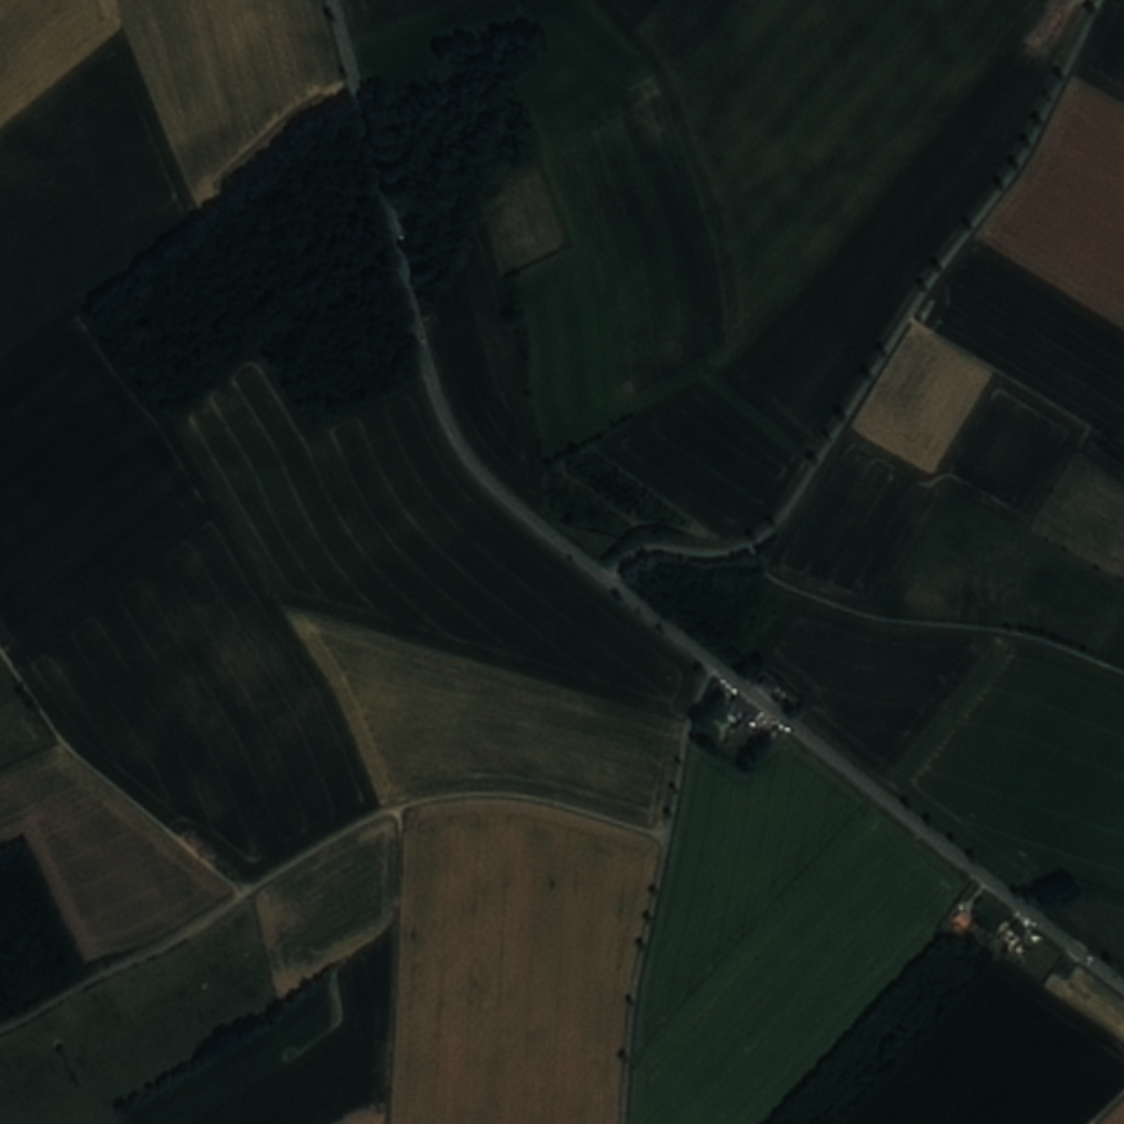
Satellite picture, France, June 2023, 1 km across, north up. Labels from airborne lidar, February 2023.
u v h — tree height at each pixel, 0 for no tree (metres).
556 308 0
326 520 0
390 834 0
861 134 0
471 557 0
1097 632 0
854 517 0
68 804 0
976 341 0
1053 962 0
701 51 0
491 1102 0
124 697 0
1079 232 0
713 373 0
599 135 0
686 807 0
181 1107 0
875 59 0
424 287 14
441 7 0
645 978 0
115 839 0
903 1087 0
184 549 0
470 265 0
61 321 0
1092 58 0
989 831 0
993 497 0
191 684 0
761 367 0
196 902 0
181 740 0
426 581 0
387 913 0
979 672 0
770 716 0
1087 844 0
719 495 0
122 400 0
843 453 0
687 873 0
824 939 0
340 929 0
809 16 0
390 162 27
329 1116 0
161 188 0
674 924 0
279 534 0
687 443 0
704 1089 0
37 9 0
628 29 0
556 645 0
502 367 0
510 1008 0
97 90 0
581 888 0
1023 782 0
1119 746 0
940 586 0
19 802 0
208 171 0
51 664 0
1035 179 0
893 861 0
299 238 18
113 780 0
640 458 0
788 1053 0
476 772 0
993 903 0
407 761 0
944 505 0
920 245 0
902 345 0
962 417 0
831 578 0
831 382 0
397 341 20
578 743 0
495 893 0
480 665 0
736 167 0
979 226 0
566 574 0
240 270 23
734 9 0
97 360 0
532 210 0
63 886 0
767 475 0
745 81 0
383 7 0
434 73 0
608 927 0
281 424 0
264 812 0
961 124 0
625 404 0
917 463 0
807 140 0
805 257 0
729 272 0
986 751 0
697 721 15
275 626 0
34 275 0
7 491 0
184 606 0
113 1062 0
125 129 0
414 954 0
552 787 0
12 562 0
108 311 18
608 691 0
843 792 0
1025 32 0
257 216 23
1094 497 0
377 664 0
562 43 0
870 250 0
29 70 0
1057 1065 0
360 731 0
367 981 0
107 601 0
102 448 0
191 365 24
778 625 0
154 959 0
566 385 0
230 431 0
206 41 0
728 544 0
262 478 0
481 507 0
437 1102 0
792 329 0
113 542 0
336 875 0
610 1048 0
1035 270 0
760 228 0
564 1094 0
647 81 0
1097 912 0
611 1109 0
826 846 0
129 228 0
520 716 0
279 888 0
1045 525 0
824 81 0
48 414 0
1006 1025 0
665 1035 0
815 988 0
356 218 22
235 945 0
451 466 0
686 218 0
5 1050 0
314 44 0
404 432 0
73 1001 0
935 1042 0
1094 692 0
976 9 0
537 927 0
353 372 20
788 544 0
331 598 0
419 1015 0
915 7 0
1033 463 0
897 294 0
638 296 0
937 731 0
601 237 0
